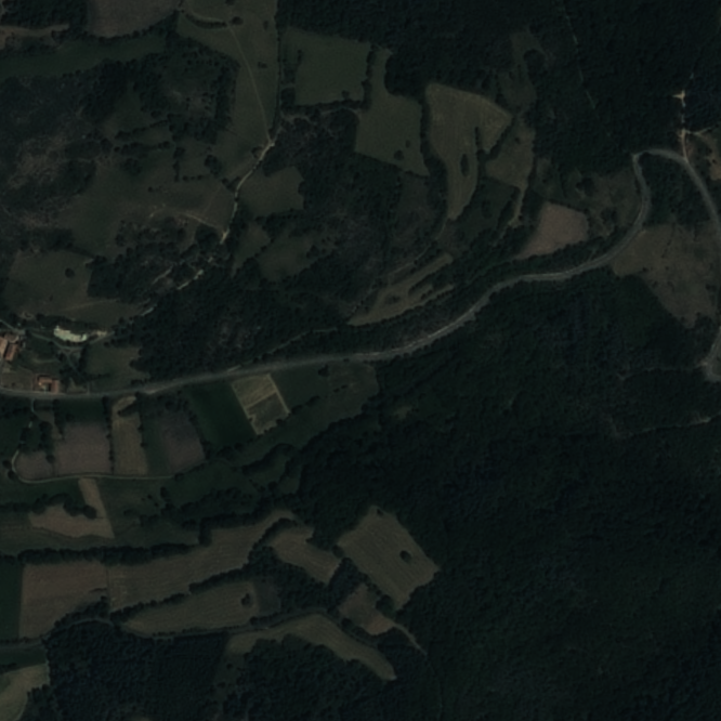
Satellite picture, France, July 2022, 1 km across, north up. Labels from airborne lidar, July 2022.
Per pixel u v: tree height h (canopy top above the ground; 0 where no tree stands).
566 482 8
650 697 8
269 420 0
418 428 16
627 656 14
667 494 17
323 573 0
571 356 25
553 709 8
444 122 0
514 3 20
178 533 0
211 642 14
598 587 13
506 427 27
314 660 7
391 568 0
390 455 21
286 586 9
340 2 13
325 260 9
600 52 23
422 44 10
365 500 11
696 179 0
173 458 0
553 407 18
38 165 0
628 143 21
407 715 15
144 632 0
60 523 0
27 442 14
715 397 11
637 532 27
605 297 12
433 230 6
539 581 14
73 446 0
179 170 7
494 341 8
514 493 8
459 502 35
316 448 16
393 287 0
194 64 9
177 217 0
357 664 12
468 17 15
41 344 0
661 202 9
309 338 10
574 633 16
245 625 0
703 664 22
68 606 0
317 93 0
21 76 0
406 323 10
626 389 9
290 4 8
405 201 0
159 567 0
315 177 9
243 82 0
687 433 10
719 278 0
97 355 0
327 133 8
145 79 10
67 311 0
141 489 0
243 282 7
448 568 13
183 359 8
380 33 7
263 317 6
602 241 7
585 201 0
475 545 14
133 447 0
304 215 6
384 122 0
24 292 0
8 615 0
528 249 0
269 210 0
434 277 9
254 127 0
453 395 12
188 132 8
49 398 0
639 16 25
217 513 0
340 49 0
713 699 21
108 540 0
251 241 0
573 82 10
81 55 0
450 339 9
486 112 0
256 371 0
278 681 10
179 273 10
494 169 0
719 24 15
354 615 0
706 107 18
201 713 11
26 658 0
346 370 0
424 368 8
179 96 0
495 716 14
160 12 0
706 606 19
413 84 12
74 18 10
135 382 10
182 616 0
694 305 0
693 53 17
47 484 0
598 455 30
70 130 0
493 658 10
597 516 21
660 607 17
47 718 11
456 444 17
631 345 6
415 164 0
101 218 0
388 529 0
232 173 0
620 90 23
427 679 10
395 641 12
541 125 10
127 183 0
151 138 0
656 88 22
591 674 13
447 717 13
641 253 0
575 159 13
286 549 0
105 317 0
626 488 32
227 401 0
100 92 10
